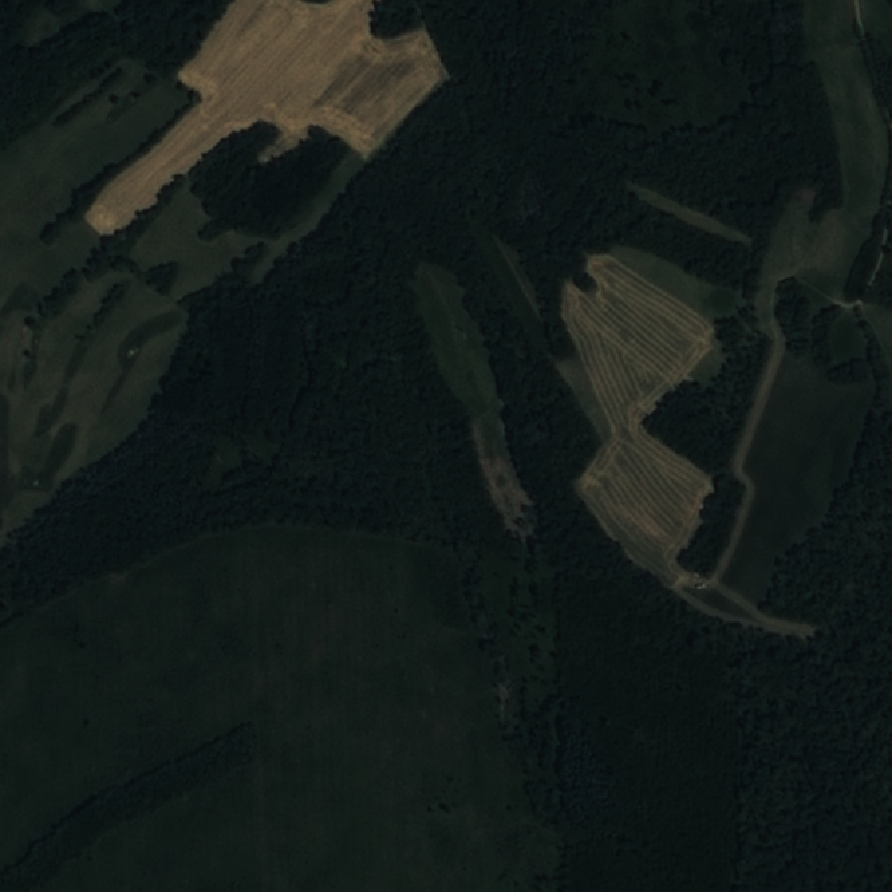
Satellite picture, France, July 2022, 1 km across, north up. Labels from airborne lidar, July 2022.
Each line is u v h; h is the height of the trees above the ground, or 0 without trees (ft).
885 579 56
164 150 0
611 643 27
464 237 53
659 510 0
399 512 41
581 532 64
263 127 48
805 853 69
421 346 67
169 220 0
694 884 27
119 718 0
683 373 0
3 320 0
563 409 53
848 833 62
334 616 0
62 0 52
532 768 54
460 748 0
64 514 58
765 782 66
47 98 55
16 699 0
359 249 25
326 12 0
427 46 0
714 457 61
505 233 67
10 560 46
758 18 40
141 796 55
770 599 35
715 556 38
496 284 59
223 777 43
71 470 0
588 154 59
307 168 36
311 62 0
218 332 61
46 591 57
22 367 0
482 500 63
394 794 0
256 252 27
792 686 81
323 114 0
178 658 0
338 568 0
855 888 79
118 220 0
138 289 0
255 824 0
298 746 0
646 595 28
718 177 33
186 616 0
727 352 35
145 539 68
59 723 0
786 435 0
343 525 65
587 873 35
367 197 46
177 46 63
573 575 29
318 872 0
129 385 0
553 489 72
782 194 56
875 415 47
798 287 37
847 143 0
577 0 53
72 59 60
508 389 73
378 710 0
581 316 0
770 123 57
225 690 0
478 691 0
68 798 0
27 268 0
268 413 59
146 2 54
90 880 0
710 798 27
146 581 0
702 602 0
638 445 0
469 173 33
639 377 0
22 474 0
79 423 0
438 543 40
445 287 0
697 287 0
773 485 0
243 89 0
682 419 59
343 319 73
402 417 36
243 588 0
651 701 32
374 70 0
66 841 54
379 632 0
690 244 21
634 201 50
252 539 0
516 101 80
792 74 62
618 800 35
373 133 0
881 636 74
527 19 76
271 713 0
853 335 0
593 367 0
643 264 0
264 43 0
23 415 0
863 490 52
